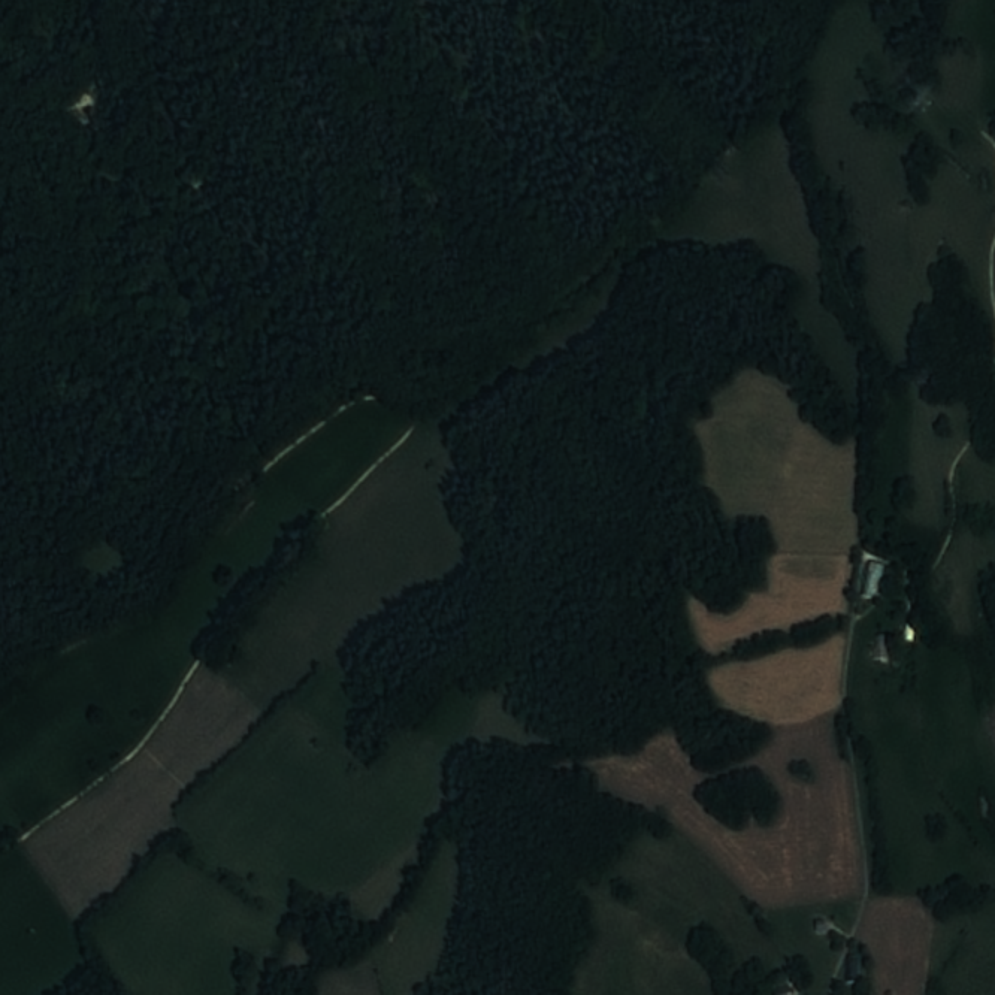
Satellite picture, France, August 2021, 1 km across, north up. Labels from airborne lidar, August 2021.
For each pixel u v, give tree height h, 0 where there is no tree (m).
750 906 7
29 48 11
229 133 13
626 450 22
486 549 24
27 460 22
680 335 26
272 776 0
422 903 0
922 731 0
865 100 0
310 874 0
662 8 24
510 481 22
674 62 16
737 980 9
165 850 13
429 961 0
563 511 22
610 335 22
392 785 0
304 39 20
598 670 13
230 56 16
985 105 0
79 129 15
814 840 0
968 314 20
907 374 13
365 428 0
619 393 22
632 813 17
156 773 0
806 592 0
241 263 12
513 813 15
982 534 6
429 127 30
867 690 0
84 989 21
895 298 0
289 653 0
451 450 7
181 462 19
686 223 0
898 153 0
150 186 22
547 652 13
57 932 0
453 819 17
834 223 17
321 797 0
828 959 0
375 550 0
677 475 15
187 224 21
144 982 0
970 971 0
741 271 31
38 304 17
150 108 20
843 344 0
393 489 0
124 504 20
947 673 0
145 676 0
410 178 24
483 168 22
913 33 12
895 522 13
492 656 19
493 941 23
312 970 11
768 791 17
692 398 8
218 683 0
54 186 17
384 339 21
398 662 26
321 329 26
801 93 18
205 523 23
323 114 15
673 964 0
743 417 0
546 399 24
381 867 0
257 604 22
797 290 19
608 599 13
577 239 24
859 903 0
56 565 28
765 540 16
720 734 13
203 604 0
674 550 9
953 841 0
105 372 18
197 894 0
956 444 0
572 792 17
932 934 0
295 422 17
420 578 0
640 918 0
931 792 0
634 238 17
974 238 0
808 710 0
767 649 16
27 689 19
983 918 0
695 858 0
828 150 0
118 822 0
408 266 26
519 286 21
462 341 18
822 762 0
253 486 15
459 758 15
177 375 22
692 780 0
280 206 15
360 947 17
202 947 0
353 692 12
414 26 24
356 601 0
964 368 14
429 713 13
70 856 0
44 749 0
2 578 24
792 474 0
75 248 13
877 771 7
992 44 0
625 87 15
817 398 19
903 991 0
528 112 25
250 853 0
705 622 0
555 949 12
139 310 22
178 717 0
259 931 0
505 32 21
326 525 12
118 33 23
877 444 16
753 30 22
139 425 23
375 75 29
